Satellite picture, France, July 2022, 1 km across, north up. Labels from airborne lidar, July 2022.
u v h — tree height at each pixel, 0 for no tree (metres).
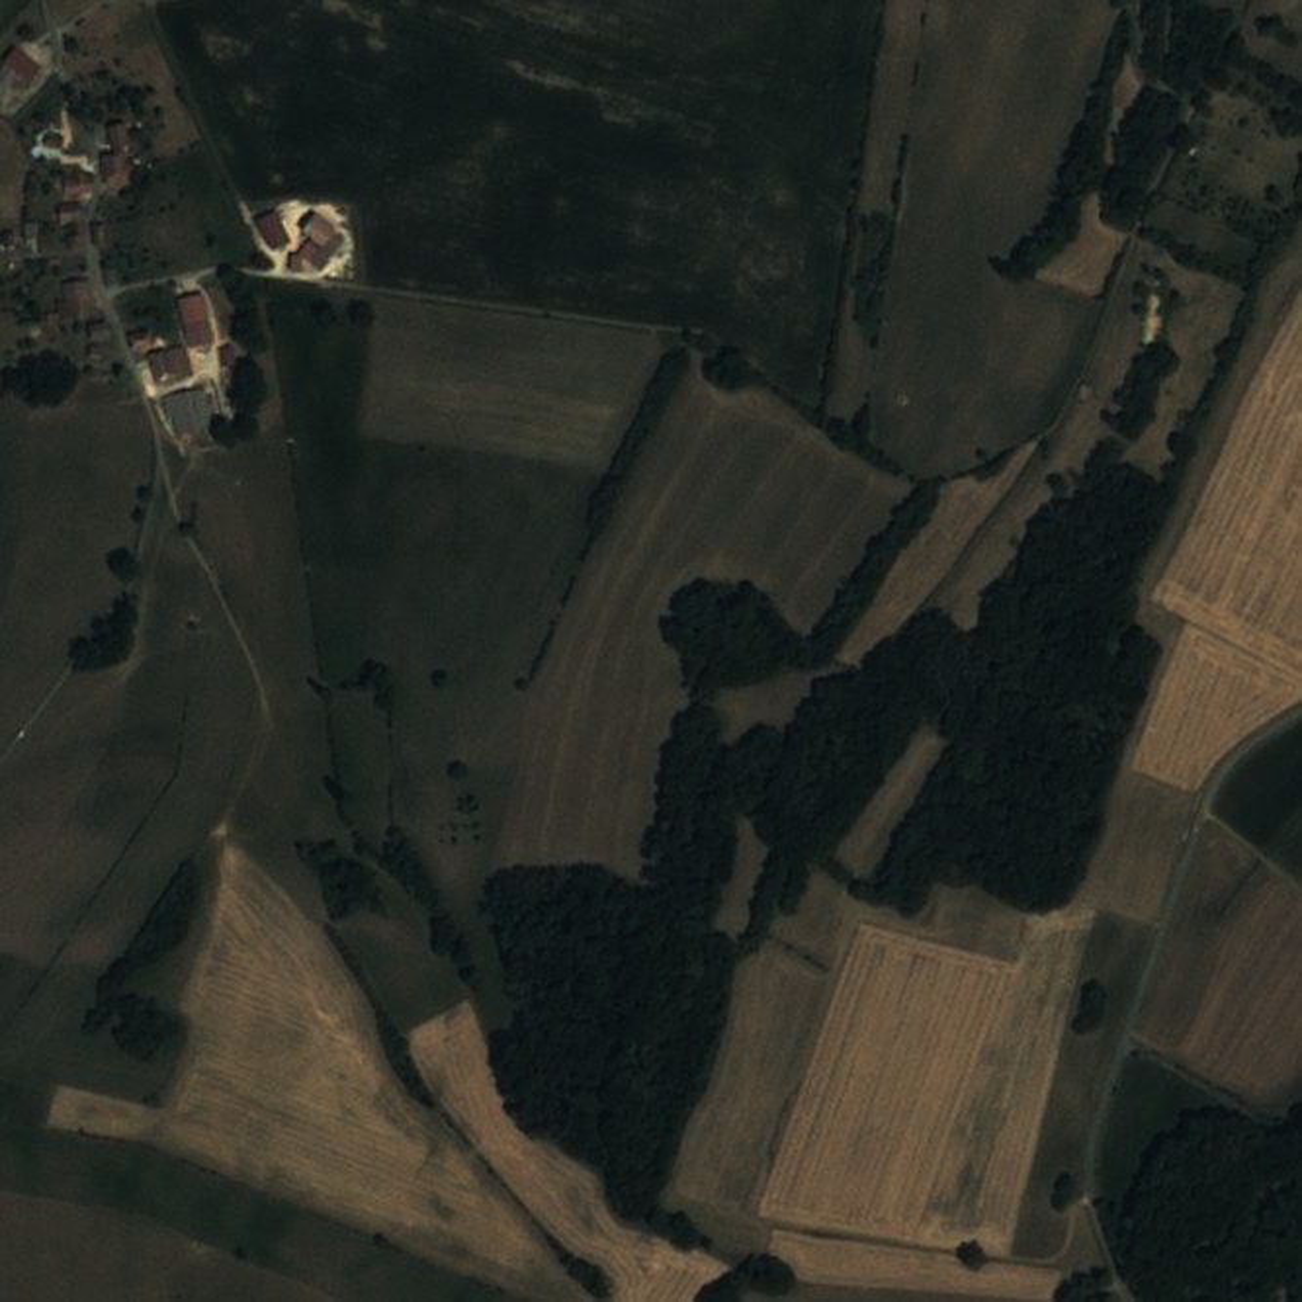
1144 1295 18
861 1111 0
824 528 0
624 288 0
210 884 0
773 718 0
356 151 0
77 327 7
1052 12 0
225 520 0
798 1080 0
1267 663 0
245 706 0
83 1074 0
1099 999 11
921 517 12
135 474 0
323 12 0
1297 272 0
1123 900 0
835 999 0
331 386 0
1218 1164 25
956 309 0
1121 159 10
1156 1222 25
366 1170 0
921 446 0
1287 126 8
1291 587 0
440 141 0
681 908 21
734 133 0
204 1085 0
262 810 0
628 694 0
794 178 0
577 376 0
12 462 0
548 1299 0
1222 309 0
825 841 14
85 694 0
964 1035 0
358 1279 0
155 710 0
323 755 0
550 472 0
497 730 0
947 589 0
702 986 9
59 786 0
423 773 0
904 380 0
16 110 0
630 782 0
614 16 0
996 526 0
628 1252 0
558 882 20
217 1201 0
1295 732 0
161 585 0
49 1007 0
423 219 0
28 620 0
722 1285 8
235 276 17
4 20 0
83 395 0
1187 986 0
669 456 0
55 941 0
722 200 0
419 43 0
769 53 0
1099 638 26
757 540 0
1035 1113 0
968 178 0
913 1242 0
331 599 0
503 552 0
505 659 0
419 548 0
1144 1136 0
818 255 0
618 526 0
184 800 0
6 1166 0
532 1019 20
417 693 0
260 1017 0
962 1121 0
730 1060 0
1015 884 22
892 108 0
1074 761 24
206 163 0
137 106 12
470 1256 0
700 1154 0
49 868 0
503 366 0
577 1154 19
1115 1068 0
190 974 0
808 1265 0
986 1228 0
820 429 7
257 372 21
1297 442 0
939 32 0
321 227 0
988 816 17
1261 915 0
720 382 17
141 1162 0
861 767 19
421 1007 0
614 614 0
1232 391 0
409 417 0
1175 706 0
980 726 17
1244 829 0
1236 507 0
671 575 0
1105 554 24
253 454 0
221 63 0
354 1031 0
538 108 0
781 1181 0
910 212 0
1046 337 0
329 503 0
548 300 0
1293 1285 21
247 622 0
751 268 0
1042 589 18
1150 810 0
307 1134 0
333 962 0
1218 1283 28
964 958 0
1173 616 0
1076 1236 0
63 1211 0
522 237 0
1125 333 0
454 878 0
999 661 17
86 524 0
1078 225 9
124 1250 0
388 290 0
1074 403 0
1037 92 0
